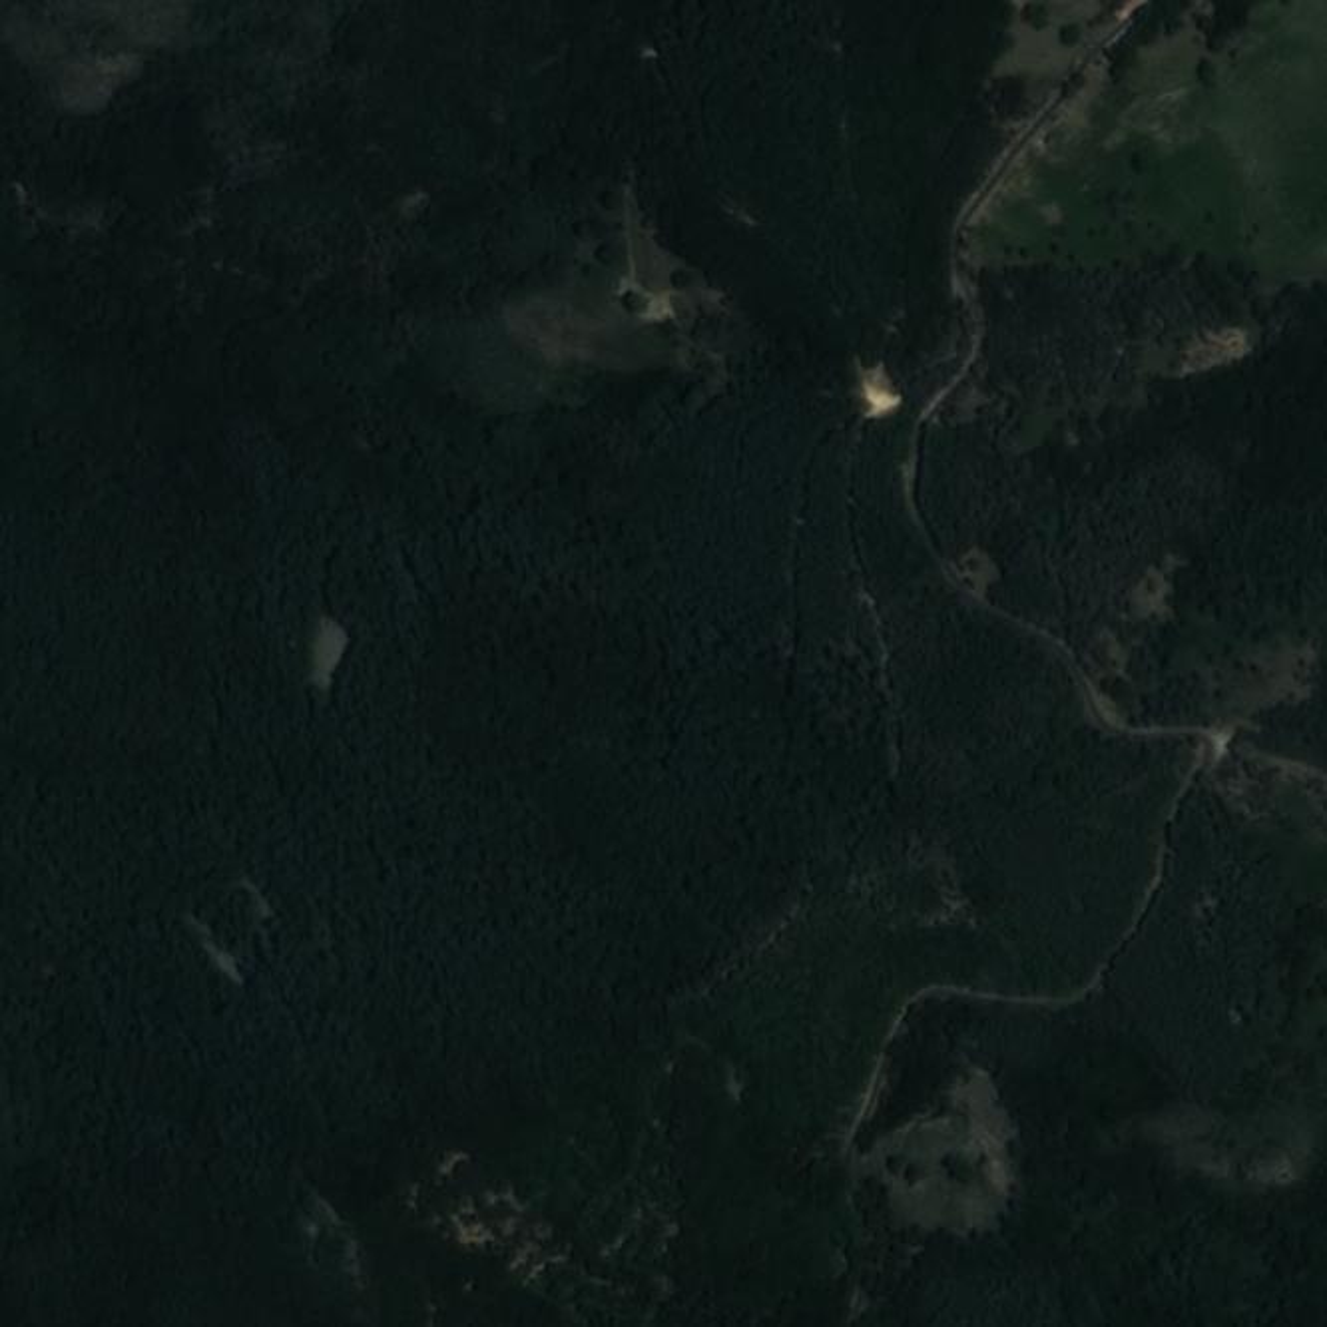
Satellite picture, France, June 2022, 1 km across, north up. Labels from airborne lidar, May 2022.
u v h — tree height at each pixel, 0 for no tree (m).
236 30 8
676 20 8
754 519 17
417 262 23
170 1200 19
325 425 24
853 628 16
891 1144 0
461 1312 19
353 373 26
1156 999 20
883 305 12
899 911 16
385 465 25
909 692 13
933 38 20
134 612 25
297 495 27
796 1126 20
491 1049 18
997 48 16
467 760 18
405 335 12
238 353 20
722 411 13
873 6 18
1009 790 7
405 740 21
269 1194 16
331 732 25
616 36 18
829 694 19
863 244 12
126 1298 19
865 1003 10
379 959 20
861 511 14
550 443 13
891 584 12
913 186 14
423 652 8
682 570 18
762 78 14
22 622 24
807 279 12
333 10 7
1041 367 10
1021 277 13
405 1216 16
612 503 18
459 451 23
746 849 15
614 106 17
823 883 16
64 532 25
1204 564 16
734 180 15
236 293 15
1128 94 0
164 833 29
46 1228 16
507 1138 17
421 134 13
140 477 22
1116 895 13
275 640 22
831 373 13
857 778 8
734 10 18
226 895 21
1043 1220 6
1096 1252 6
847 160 8
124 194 20
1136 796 14
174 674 21
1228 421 16
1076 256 12
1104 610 12
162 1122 24
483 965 25
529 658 9
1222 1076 19
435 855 22
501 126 7
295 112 8
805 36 9
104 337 12
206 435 27
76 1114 13
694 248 15
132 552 28
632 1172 15
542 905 17
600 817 8
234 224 11
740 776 16
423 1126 16
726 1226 17
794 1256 23
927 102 16
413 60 14
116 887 16
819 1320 16
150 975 25
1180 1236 8
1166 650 12
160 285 13
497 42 18
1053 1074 10
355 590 15
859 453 9
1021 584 19
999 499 16
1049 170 0
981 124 14
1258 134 0
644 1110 16
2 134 8
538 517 24
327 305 12
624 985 14
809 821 9
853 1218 22
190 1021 20
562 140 9
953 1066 22
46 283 20
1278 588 9
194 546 26
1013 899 13
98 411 20
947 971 11
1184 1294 10
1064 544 9
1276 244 0
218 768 19
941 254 17
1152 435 24
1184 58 0
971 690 16
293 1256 12
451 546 24
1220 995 24
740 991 15
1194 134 0
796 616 11
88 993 30
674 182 15
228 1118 14
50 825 21
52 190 6
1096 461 13
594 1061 21
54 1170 12
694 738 19
